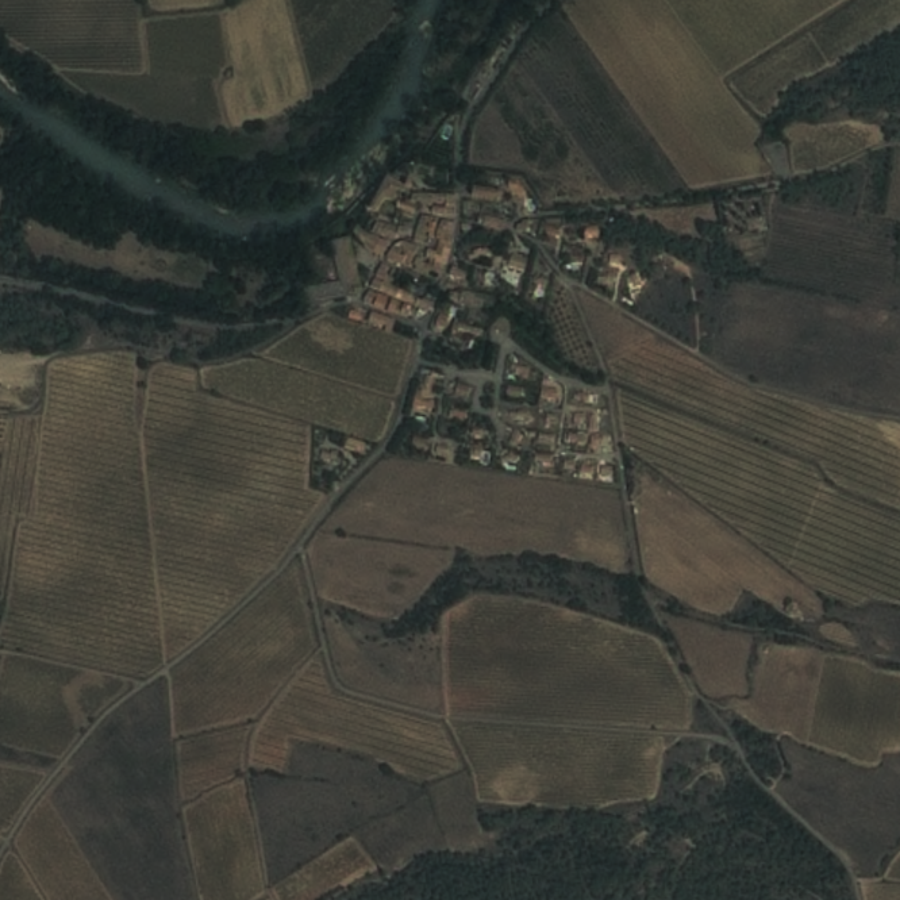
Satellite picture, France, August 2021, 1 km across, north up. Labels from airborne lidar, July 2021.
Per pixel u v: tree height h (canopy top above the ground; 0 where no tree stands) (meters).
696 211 0
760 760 10
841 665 0
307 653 0
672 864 11
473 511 0
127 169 0
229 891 0
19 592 0
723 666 0
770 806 10
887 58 15
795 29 0
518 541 0
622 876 12
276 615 0
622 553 0
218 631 0
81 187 24
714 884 12
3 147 11
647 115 0
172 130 10
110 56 0
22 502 0
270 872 0
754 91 0
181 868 0
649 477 0
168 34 0
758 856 10
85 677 0
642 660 0
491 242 8
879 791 0
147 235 11
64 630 0
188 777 0
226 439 0
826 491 0
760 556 0
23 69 17
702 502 0
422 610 6
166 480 0
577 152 0
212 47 0
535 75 0
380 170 16
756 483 0
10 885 0
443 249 0
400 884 9
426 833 0
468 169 17
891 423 0
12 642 0
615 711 0
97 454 0
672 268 0
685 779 6
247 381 0
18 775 0
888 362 0
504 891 8
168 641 0
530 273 6
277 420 0
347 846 0
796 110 12
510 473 0
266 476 0
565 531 0
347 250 0
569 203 8
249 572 0
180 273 0
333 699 0
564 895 9
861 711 0
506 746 0
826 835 0
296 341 0
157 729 0
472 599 0
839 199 7
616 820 11
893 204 0
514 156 0
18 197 15
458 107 13
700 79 0
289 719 0
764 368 0
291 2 0
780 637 8
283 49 0
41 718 0
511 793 0
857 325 0
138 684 0
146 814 0
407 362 0
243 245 10
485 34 8
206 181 14
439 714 0
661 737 0
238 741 0
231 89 0
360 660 0
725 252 16
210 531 0
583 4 0
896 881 0
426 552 0
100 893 0
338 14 0
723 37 0
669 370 0
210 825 0
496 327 0
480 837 0
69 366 0
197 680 0
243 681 0
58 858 0
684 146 0
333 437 11
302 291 16
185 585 0
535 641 0
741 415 0
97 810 0
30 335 12
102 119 11
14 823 0
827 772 0
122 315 10
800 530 0
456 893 13
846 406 0
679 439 0
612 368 0
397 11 10
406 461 0
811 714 0
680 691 0
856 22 0
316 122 12
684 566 0
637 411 0
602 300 0
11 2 0
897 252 10
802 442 0
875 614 0
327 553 0
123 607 0
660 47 0
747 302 0
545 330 10
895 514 0
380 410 0
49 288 12
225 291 17
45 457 0
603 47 0
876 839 0
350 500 0
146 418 0
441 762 0
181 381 0
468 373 0
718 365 0
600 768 0
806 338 0
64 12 0
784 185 8
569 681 0
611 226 13
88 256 0
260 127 12
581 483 0
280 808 0
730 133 0
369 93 15
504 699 0
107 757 0
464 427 9
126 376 0
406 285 9
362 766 0
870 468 0
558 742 0
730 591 0
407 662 0
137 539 0
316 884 0
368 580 0
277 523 0
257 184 18
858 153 0
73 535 0
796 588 0
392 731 0
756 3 0
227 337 8
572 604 8
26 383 0
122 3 0
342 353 0
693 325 0
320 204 0
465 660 0
